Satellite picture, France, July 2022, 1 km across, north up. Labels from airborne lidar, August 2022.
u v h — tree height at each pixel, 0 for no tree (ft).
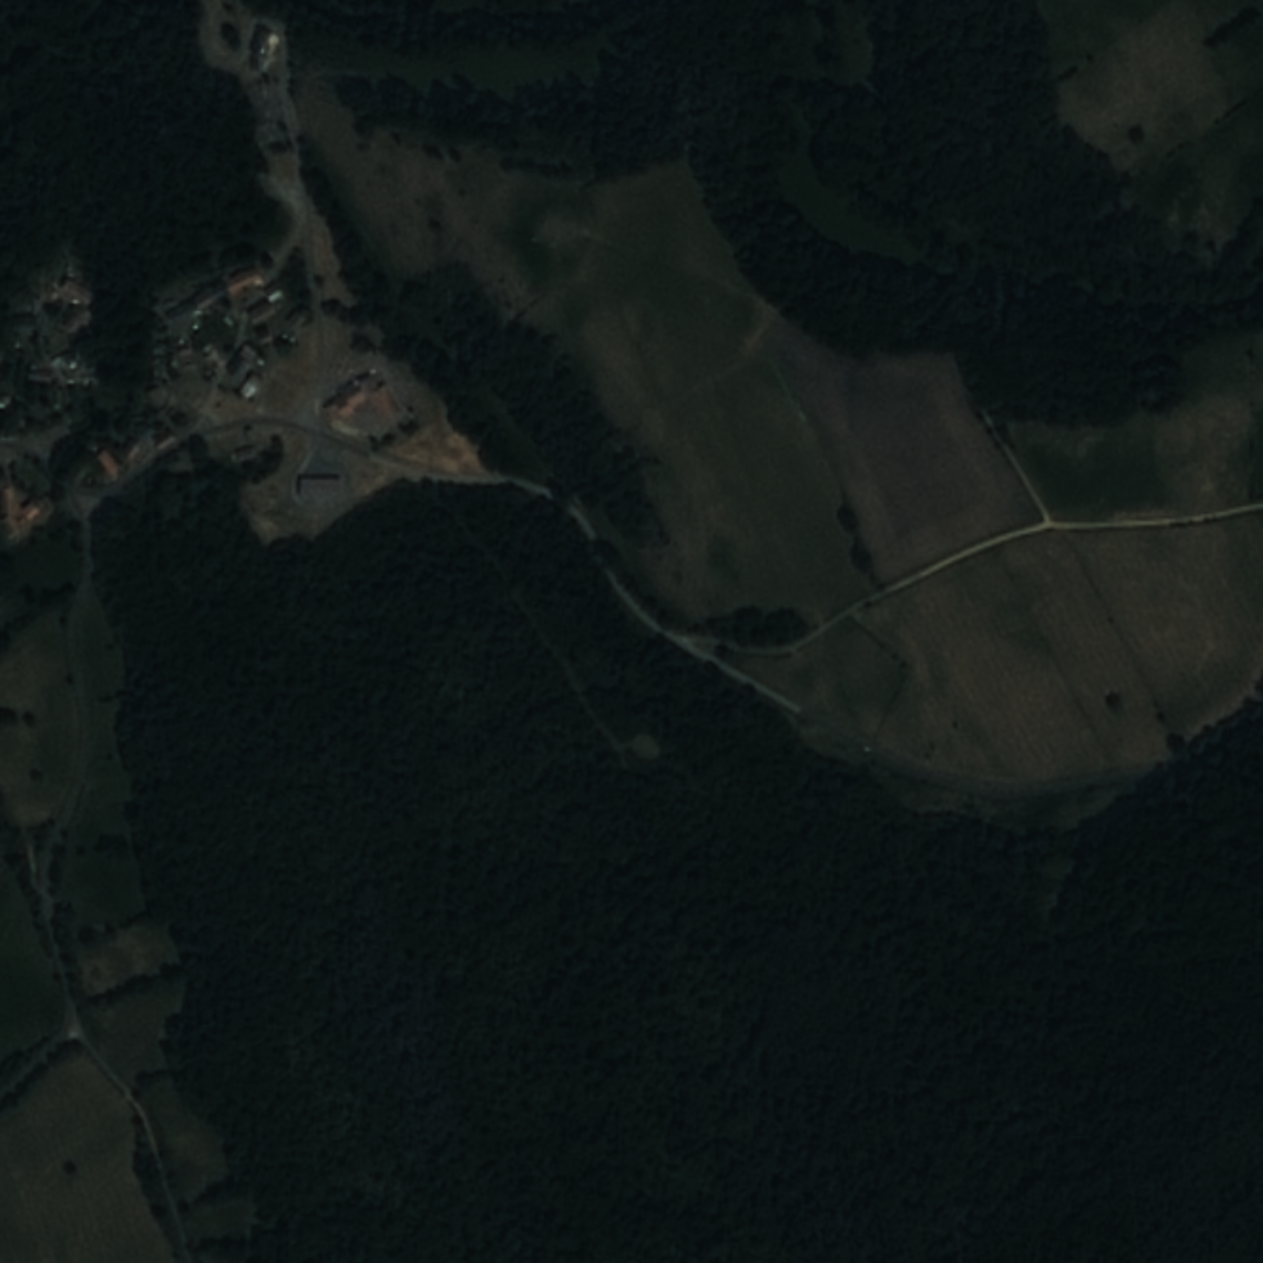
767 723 49
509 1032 19
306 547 28
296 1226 33
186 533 26
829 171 100
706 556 0
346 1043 49
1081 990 55
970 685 0
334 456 0
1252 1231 46
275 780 33
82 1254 0
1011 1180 43
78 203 34
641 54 77
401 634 26
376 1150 39
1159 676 0
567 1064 49
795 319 45
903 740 0
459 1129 40
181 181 42
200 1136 0
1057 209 39
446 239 0
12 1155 0
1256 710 64
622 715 25
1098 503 0
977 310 98
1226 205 0
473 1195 42
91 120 23
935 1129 50
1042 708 0
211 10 0
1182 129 0
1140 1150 63
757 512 0
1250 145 0
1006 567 0
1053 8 0
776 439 0
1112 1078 54
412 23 77
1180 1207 64
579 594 41
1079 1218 60
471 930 19
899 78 73
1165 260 29
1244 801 64
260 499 0
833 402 0
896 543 0
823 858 41
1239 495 0
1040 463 0
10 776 0
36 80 38
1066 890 45
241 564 21
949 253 99
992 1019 55
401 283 0
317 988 26
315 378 0
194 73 57
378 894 48
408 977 36
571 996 37
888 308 92
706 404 0
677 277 0
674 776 40
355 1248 63
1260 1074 51
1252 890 48
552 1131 25
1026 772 0
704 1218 50
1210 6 0
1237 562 0
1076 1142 52
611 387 0
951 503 0
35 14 27
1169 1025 52
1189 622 0
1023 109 56
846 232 0
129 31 55
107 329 62
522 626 34
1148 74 0
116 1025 0
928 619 0
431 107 61
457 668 20
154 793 42
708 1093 24
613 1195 23
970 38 50
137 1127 32
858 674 0
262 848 44
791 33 0
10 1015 0
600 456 50
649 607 38
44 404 39
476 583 42
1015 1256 49
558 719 33
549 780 38
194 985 47
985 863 57
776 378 0
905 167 77
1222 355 0
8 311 39
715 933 33
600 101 23
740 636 39
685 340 0
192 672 42
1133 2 0
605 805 52
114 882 0
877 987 64
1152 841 80
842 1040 62
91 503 0
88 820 0
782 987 72
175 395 0
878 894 32
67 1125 0
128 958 0
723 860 41
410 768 26
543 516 52
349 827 19
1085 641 0
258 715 23
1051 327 96
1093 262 86
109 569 32
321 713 27
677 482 0
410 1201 44
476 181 0
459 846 23
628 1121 34
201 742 24
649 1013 63
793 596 0
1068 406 48
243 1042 42
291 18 55
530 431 27
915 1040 52
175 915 18
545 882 37
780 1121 58
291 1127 37
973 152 54
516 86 0
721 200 37
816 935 57
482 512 25
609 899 43
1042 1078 41
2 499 0
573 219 0
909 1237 61
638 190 0
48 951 31
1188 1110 61
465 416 52
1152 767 0
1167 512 0
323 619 33
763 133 86
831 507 0
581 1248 42
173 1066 34
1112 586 0
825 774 59
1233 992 47
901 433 0
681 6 91
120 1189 0
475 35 83
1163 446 0
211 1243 37
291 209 0
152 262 40
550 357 33
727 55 57
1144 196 0
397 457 0
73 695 0
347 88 53
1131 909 67
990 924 58
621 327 0
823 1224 45
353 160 0
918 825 30
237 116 45
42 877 0
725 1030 25
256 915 50
